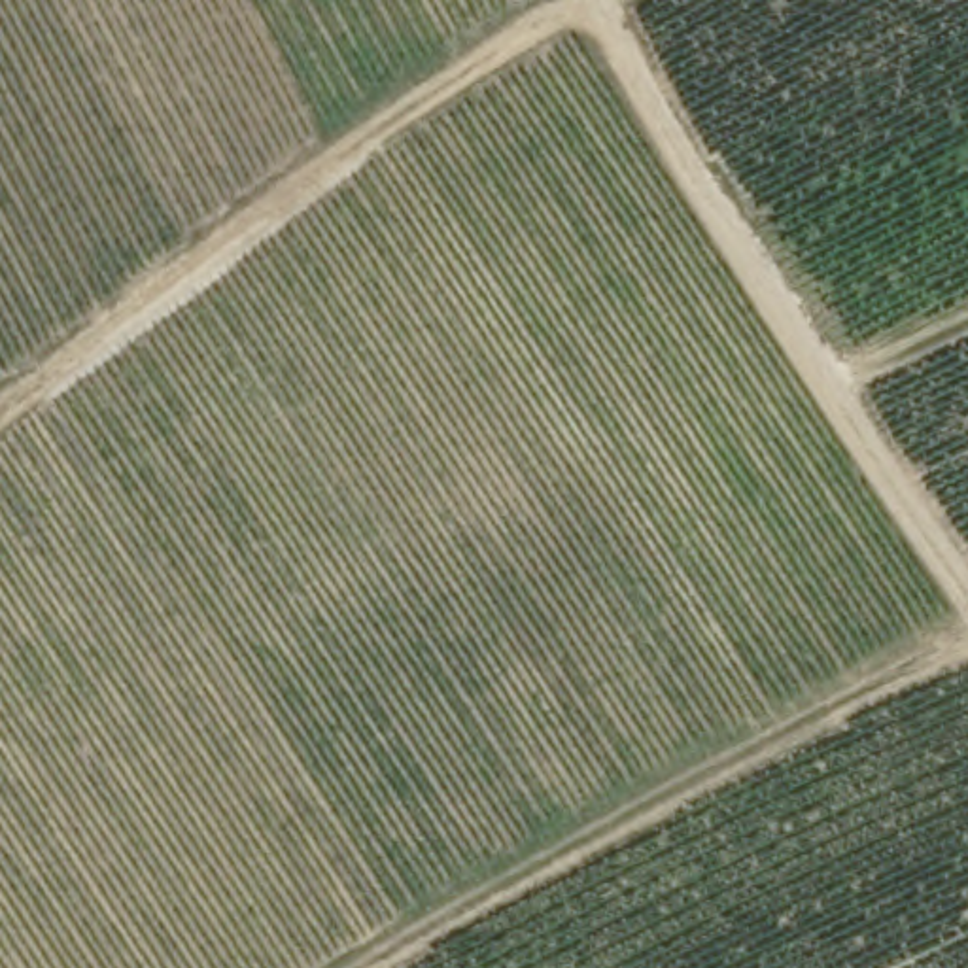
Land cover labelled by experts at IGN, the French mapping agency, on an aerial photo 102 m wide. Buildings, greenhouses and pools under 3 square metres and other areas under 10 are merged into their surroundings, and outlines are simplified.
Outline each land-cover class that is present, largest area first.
<instances>
[{"label":"vineyard","instance_id":"1","mask_svg":"<svg viewBox=\"0 0 968 968\"><path fill-rule=\"evenodd\" d=\"M548 0H0V389L15 386L53 352L72 344L79 329H87L91 310L113 306L125 284L136 272H144L159 253L197 250L242 208L257 204L295 170L325 155L333 140L367 121L378 106L442 72L450 61L473 53L499 30H507L514 19L529 15ZM624 8H635L643 23V53L662 61L681 106L688 110L692 129L707 147V170L718 178L722 193L734 200L741 219L768 246L790 291L802 295L817 337L836 352H855L881 333L908 340L911 352L896 359L900 371L881 374L866 386V405L877 412L881 427L900 446V454L923 469L926 492L942 503L949 526L968 541V0H620ZM964 624L953 601L934 582L904 529L892 522L889 507L866 480V473L855 465L832 420L809 393L805 378L783 352L779 337L756 310L737 272L730 268L726 253L696 216L677 178L669 174L639 113L620 91L601 45L582 30H560L529 45L503 68L465 87L446 106L431 110L424 121L408 125L382 151H374L344 185L314 200L303 216L284 223L261 246H253L227 276L204 287L197 299L178 306L170 318L155 321L98 371L79 378L68 393H61L49 405L26 408L11 427L0 431V968H968V643L960 639Z\"/></svg>","mask_w":968,"mask_h":968},{"label":"pervious surface","instance_id":"2","mask_svg":"<svg viewBox=\"0 0 968 968\"><path fill-rule=\"evenodd\" d=\"M560 30H582L601 45L620 91L639 113L669 174L677 178L696 216L726 253L730 268L737 272L756 310L779 337L783 352L805 378L809 393L832 420L855 465L866 473V480L889 507L892 522L904 529L934 582L953 601L964 624L960 639L968 643V541L949 526L942 503L926 492L923 469L900 454V446L881 427L877 412L866 405V386L881 374L900 371L896 359L911 352L908 340L881 333L855 352H836L817 337L802 295L790 291L768 246L741 219L734 200L722 193L718 178L707 170V147L692 129L688 110L681 106L662 61L643 53V23L635 8H624L620 0H548L529 15L514 19L507 30H499L473 53L450 61L442 72L378 106L367 121L333 140L325 155L295 170L257 204L242 208L197 250L159 253L144 272H136L125 284L113 306L91 310L87 329H79L72 344L53 352L15 386L0 389V431L11 427L26 408L49 405L61 393H68L79 378L98 371L155 321L170 318L178 306L197 299L204 287L227 276L253 246H261L284 223L303 216L314 200L344 185L374 151H382L408 125L424 121L431 110L446 106L465 87L503 68L529 45Z\"/></svg>","mask_w":968,"mask_h":968}]
</instances>
